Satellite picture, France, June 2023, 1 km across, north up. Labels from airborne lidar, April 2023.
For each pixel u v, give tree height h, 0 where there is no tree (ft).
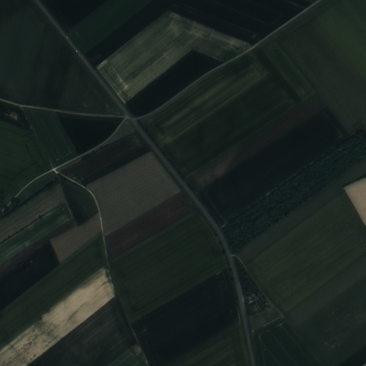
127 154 0
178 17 0
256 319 0
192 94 0
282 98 0
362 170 0
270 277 0
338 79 0
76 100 0
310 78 0
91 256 0
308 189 37
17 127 0
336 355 0
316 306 0
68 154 0
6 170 0
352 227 0
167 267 0
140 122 27
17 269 0
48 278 0
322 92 0
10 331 0
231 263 0
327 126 0
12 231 0
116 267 0
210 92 0
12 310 0
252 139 0
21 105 0
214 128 0
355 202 0
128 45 0
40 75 0
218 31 0
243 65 0
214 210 0
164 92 0
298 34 0
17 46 0
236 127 0
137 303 0
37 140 0
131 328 0
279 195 25
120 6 0
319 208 0
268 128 0
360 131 36
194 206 0
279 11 0
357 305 0
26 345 0
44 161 0
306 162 0
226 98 0
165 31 0
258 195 0
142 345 0
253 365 0
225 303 0
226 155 0
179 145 0
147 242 0
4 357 0
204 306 0
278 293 0
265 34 0
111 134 0
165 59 0
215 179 0
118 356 0
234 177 0
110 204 0
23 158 0
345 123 0
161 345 0
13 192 0
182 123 0
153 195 0
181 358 0
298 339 0
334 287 0
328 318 0
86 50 0
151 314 0
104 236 0
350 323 0
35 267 0
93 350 0
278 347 0
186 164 0
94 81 0
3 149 0
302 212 0
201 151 0
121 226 0
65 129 0
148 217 0
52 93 0
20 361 0
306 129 0
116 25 0
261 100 0
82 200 0
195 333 0
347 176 0
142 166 0
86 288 0
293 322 0
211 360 0
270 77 0
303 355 0
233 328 0
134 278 0
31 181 0
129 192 0
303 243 0
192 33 0
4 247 0
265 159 0
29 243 0
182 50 0
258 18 0
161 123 0
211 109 0
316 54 0
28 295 0
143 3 0
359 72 0
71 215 0
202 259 0
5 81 0
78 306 0
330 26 0
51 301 0
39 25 0
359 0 0
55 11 0
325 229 0
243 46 0
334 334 0
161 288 0
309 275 0
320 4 0
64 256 0
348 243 0
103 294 0
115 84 0
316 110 0
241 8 0
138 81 0
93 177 0
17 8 0
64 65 0
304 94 0
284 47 0
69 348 0
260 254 0
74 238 0
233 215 0
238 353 0
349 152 38
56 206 0
